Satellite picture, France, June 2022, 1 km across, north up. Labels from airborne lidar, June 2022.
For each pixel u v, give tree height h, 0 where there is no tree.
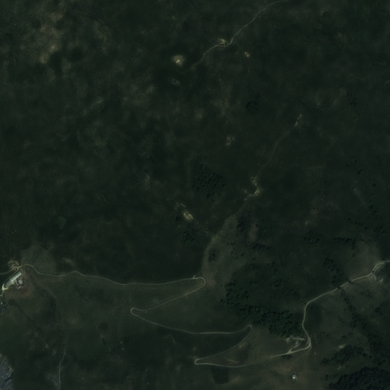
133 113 0
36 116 0
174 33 0
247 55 0
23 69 0
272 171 0
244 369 0
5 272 0
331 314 0
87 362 0
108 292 0
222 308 0
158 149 0
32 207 0
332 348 0
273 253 0
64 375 0
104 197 0
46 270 0
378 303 0
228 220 0
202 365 0
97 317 0
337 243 8
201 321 0
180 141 0
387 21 0
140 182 0
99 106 0
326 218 0
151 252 0
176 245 0
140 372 0
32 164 0
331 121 0
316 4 0
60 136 0
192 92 0
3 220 0
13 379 0
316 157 0
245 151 0
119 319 0
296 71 0
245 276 0
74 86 0
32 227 0
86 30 0
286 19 0
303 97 0
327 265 9
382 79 0
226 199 0
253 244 8
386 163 0
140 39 0
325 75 0
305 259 0
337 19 0
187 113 0
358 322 8
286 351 0
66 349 0
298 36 0
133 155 0
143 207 0
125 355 0
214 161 0
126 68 0
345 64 0
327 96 0
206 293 0
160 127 0
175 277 0
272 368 0
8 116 0
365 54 0
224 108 0
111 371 0
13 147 0
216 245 0
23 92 0
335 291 0
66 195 0
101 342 0
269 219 0
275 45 0
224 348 0
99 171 0
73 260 0
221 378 0
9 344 0
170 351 0
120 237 0
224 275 0
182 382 0
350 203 0
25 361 0
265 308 11
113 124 0
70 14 0
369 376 26
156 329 0
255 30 0
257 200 0
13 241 0
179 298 0
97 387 0
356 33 0
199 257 0
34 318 0
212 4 0
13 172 0
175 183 0
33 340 0
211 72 0
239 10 0
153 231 0
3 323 0
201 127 0
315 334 0
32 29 0
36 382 0
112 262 0
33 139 0
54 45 0
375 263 0
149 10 0
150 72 0
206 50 0
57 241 0
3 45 0
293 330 13
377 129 0
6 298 0
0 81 0
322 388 0
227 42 0
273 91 0
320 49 0
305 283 0
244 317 10
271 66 0
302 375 0
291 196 0
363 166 0
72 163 0
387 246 0
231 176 0
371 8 0
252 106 10
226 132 0
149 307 0
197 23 0
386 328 0
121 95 0
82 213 0
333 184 0
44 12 0
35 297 0
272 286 8
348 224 0
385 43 0
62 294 0
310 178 0
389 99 0
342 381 19
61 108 0
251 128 0
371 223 0
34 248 0
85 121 0
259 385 0
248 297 14
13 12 0
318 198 0
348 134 0
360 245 0
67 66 0
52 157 0
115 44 0
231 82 0
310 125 0
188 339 0
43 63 0
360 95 0
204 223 0
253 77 0
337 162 0
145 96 0
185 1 0
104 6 0
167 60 0
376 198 0
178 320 0
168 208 0
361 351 7
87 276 0
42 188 0
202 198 0
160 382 0
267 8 0
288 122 0
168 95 0
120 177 0
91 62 0
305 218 0
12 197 0
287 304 0
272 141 0
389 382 15
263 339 0
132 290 0
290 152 0
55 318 0
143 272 0
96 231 0
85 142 0
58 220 0
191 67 0
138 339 0
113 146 0
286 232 0
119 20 0
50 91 0
